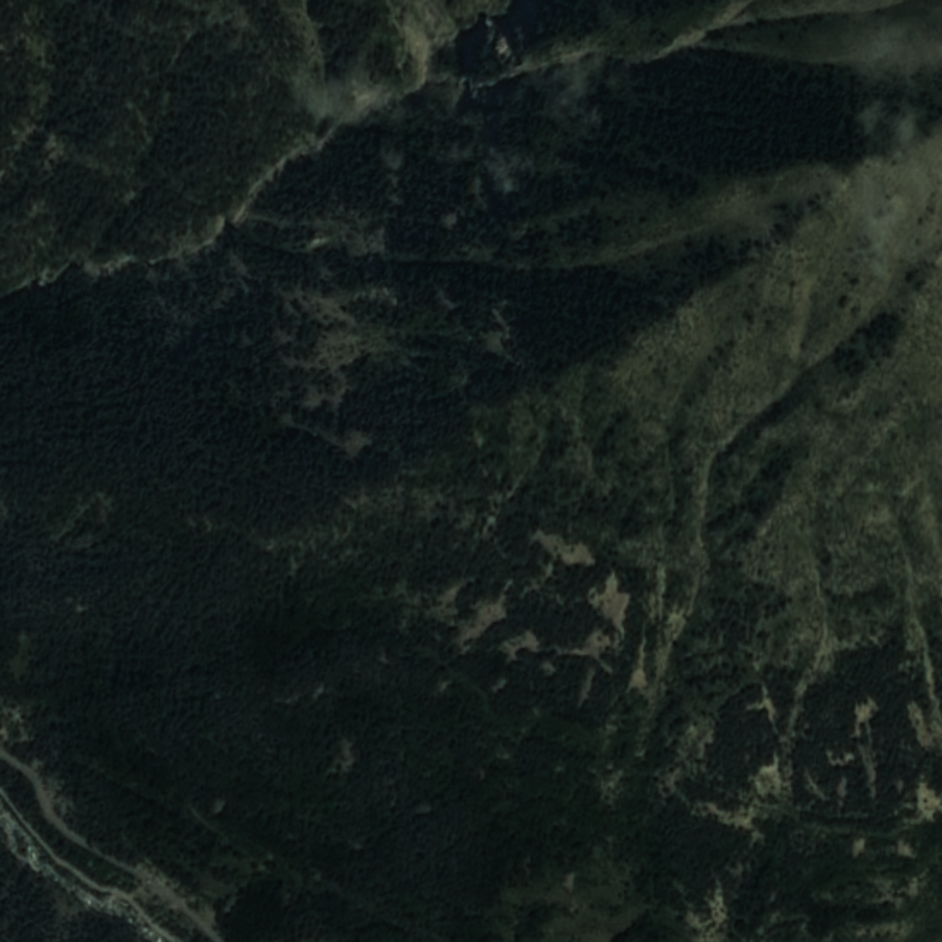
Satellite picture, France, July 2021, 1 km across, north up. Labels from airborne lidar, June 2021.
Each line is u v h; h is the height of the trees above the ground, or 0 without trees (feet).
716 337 0
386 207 26
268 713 45
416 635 25
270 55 20
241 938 37
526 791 25
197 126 41
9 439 52
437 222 30
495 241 36
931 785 24
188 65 27
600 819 20
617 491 21
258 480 25
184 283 29
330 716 38
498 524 22
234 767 44
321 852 57
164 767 33
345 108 27
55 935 26
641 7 49
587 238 29
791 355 0
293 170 28
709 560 20
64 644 38
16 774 28
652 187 23
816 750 21
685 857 39
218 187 29
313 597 19
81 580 22
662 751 23
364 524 22
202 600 38
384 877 44
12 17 41
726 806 32
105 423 56
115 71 20
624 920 0
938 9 0
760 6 0
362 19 30
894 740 32
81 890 20
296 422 36
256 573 39
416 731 27
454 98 0
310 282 41
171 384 42
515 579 26
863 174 0
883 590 27
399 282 43
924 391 0
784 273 0
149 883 0
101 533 28
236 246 48
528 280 22
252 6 27
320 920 28
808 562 0
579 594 27
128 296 20
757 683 23
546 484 32
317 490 31
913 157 0
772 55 0
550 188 25
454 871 27
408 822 34
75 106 31
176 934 21
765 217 0
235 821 39
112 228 20
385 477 31
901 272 0
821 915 55
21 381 43
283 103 28
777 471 26
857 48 0
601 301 51
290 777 32
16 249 20
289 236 26
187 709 39
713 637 22
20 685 18
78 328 22
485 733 27
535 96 45
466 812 40
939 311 0
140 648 52
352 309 21
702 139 31
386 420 34
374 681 27
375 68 23
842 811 25
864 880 27
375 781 36
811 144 46
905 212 0
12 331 51
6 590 40
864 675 23
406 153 22
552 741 30
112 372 27
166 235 26
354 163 24
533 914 52
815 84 21
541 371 39
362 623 34
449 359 23
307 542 29
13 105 28
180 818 28
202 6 31
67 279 27
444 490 32
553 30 59
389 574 24
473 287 49
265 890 50
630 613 26
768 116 33
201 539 26
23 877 41
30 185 27
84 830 31
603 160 49
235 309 33
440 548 24
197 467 46
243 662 37
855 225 0
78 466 22
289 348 31
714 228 0
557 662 40
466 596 34
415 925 17
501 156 58
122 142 21
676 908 29
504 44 0
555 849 27
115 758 62
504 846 62
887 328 27
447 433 24
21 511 33
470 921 27
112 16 32
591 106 36
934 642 38
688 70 30
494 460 52
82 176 44
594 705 21
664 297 22
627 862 22
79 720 36
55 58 25
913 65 0
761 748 40
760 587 20
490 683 28
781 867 24
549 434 31
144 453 49
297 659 41
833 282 0
